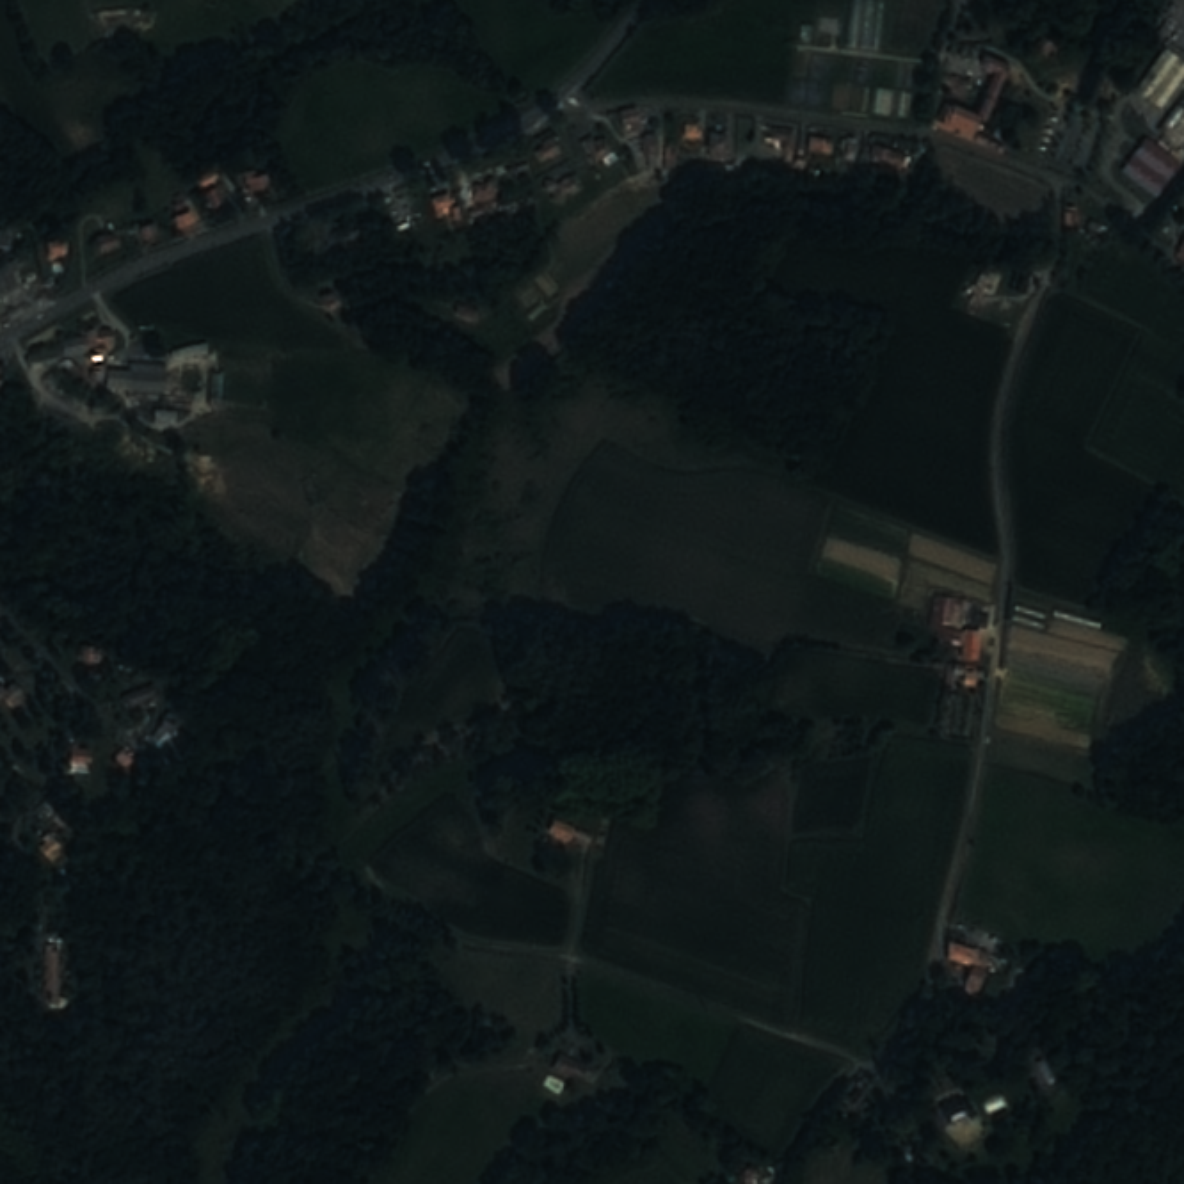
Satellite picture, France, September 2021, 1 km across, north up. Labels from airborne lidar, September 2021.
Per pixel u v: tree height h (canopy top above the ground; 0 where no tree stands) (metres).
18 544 31
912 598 0
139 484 9
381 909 15
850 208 27
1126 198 0
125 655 18
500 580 0
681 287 25
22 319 0
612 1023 0
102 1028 24
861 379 18
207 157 18
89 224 0
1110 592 21
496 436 0
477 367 22
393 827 0
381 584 23
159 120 22
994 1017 22
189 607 27
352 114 0
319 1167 23
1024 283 11
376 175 0
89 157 12
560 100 0
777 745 21
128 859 18
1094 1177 23
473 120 0
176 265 0
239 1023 21
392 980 21
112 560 12
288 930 29
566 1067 0
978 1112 0
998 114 8
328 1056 23
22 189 26
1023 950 6
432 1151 0
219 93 25
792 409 22
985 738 0
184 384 0
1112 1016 23
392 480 0
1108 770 24
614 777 39
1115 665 0
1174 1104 29
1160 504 13
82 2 0
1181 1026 20
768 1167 10
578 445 0
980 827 0
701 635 11
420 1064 24
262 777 28
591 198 0
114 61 8
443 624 12
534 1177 28
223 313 0
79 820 14
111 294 0
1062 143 7
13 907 19
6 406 14
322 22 13
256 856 25
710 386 20
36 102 0
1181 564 25
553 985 0
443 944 19
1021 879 0
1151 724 18
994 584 0
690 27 0
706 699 25
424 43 14
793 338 24
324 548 0
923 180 12
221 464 0
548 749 18
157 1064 25
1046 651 0
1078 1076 22
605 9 7
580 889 0
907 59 0
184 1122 25
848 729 6
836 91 0
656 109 0
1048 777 0
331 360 0
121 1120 20
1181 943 14
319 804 22
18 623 7
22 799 10
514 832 0
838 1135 7
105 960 24
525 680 20
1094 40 11
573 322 12
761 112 0
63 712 17
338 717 17
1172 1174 25
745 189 22
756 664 20
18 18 12
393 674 21
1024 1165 0
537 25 0
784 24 0
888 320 15
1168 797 18
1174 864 0
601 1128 25
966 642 0
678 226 27
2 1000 24
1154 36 10
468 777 0
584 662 27
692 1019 0
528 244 7
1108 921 0
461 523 0
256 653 26
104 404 11
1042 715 0
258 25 0
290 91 0
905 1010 12
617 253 0
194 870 27
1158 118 0
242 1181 21
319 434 0
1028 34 15
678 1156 0
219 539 8
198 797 22
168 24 0
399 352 21
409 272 12
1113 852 0
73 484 12
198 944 21
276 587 25
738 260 24
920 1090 32
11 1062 23
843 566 0
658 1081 14
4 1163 23
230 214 13
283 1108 27
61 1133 25
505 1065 0
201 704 22
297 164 0
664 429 0
